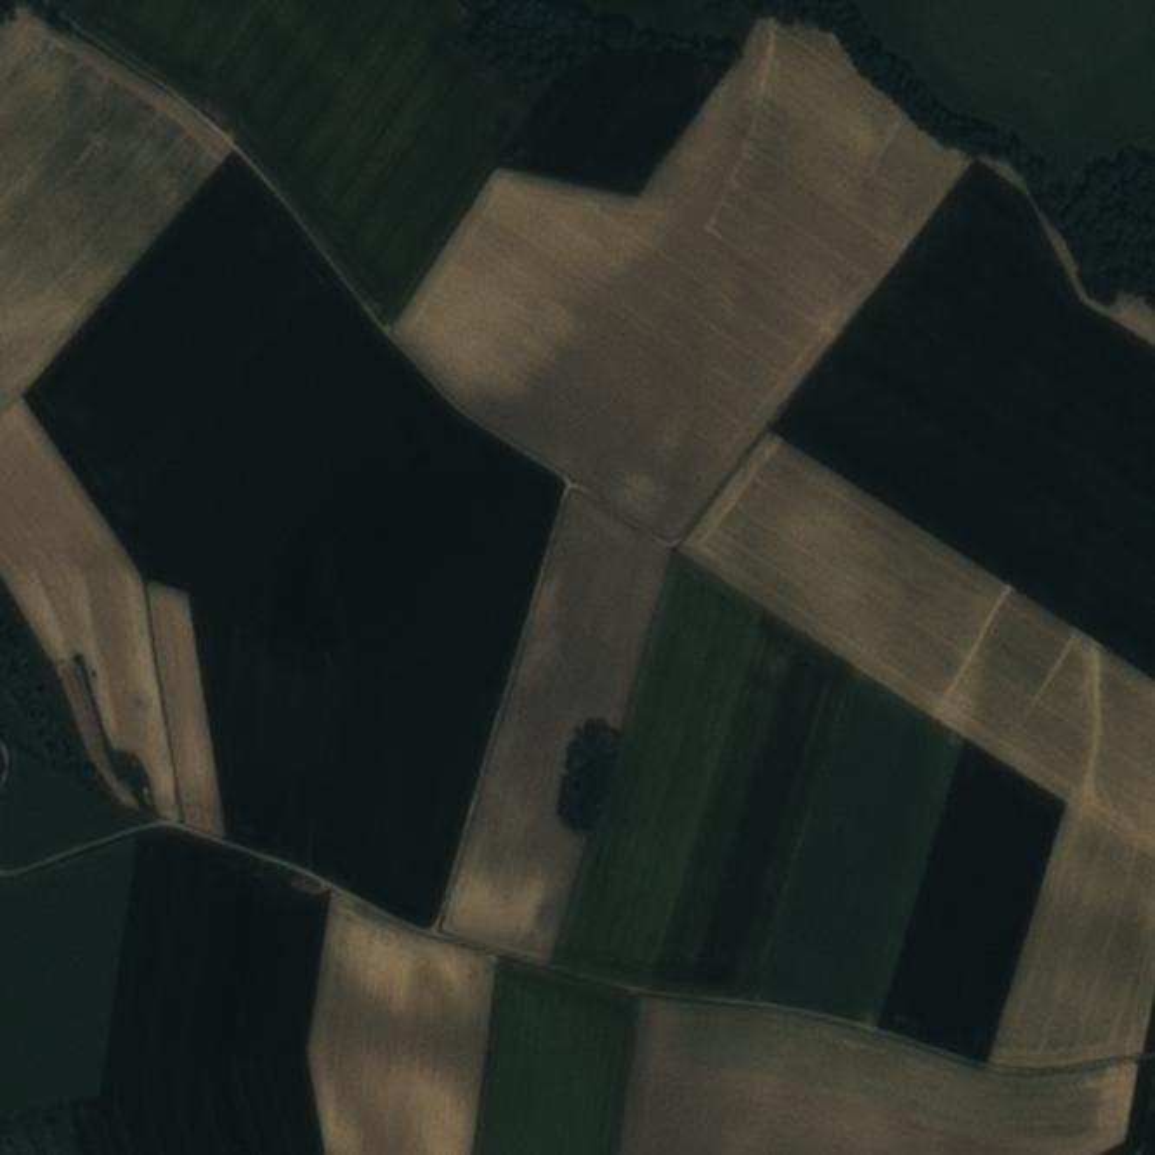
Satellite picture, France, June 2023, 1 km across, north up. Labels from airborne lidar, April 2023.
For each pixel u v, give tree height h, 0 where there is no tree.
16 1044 0
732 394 0
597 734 20
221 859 0
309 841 0
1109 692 0
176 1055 0
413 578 0
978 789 0
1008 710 0
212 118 0
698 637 0
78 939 0
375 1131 0
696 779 0
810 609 0
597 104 0
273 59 0
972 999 0
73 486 0
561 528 0
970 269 0
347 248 0
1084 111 0
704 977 0
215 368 0
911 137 0
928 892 0
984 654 0
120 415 0
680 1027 0
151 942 0
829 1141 0
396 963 0
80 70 0
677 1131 0
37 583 0
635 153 0
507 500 0
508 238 0
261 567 0
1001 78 0
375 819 0
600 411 0
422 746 0
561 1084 0
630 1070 0
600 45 0
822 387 0
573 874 0
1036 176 20
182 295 0
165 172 0
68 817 0
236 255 0
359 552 0
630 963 0
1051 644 0
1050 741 0
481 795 0
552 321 0
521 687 0
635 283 0
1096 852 0
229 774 0
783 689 0
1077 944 0
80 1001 0
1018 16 0
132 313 0
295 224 0
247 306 0
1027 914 0
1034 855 0
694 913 0
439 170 0
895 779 0
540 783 0
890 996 0
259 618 0
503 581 0
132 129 0
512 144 0
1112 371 0
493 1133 0
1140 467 0
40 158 0
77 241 0
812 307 0
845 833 0
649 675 0
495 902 0
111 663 0
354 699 0
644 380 0
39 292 0
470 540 0
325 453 0
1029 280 0
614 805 0
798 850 0
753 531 0
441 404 0
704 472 0
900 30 0
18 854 0
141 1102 0
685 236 0
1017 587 0
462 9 0
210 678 0
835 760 0
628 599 0
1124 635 0
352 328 0
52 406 0
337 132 0
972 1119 0
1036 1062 0
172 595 0
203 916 0
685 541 0
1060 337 0
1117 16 0
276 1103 0
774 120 0
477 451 0
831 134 0
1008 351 0
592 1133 0
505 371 0
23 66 0
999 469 0
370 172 0
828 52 0
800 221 0
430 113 0
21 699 7
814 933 0
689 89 0
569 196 0
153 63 0
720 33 0
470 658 0
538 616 0
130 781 0
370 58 0
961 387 0
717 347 0
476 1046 0
